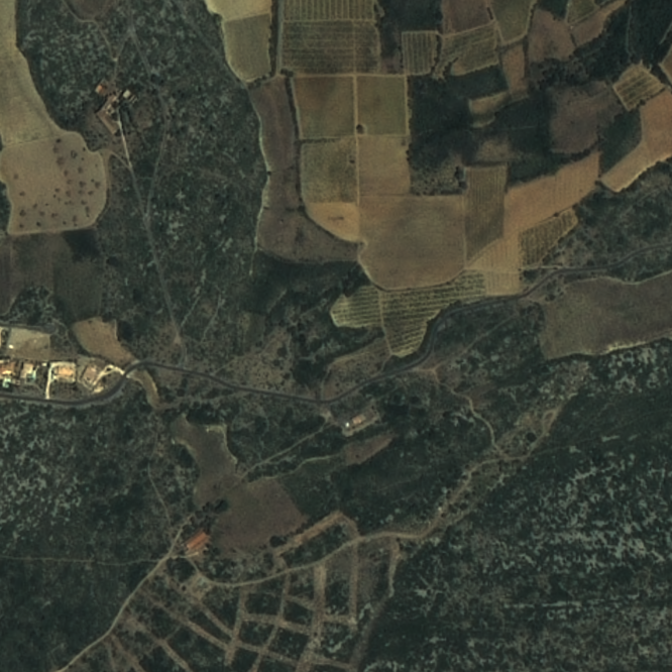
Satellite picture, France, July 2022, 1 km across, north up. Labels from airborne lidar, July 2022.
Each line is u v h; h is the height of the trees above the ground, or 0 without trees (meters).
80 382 0
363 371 0
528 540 0
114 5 0
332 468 0
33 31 0
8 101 0
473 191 0
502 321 0
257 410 0
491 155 0
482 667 0
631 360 0
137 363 0
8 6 0
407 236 0
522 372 0
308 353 0
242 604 0
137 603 0
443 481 6
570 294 0
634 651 0
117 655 0
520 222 0
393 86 0
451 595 0
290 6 0
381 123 0
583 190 0
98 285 0
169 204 7
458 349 0
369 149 0
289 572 0
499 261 0
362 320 0
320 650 0
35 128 0
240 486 0
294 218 0
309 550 0
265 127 0
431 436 9
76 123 6
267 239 0
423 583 0
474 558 0
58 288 0
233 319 0
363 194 0
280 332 0
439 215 0
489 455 0
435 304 0
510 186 0
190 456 6
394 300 0
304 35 0
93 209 0
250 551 0
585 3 0
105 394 0
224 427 0
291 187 0
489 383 0
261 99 0
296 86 0
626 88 0
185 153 0
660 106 0
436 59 6
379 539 0
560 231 0
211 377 0
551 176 0
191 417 9
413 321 0
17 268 0
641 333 0
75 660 0
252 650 0
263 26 0
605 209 0
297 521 0
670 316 0
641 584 0
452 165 0
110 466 0
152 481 0
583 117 0
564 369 0
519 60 0
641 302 0
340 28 0
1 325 0
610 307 0
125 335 6
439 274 0
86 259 0
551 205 0
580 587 0
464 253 0
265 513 0
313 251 0
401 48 6
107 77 7
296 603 0
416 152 6
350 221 0
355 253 0
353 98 0
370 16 0
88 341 0
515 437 0
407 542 0
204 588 0
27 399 0
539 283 0
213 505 9
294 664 0
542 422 0
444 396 0
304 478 0
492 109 0
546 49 0
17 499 0
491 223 0
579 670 0
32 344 0
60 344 0
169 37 0
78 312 0
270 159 0
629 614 0
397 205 0
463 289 0
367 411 0
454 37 0
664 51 6
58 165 0
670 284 0
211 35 0
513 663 0
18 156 0
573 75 7
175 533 0
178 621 0
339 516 0
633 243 0
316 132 0
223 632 0
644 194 0
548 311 0
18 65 0
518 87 0
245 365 0
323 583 0
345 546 0
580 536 0
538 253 0
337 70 0
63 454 0
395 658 0
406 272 0
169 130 6
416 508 8
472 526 0
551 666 0
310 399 0
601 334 0
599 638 0
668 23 5
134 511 0
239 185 0
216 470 0
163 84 7
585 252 0
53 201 0
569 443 0
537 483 0
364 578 0
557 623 0
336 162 0
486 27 0
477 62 0
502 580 0
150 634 0
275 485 0
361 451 0
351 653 0
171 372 0
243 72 0
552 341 0
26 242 0
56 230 0
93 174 0
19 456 0
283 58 0
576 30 0
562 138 0
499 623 0
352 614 0
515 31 0
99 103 6
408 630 0
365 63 0
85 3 0
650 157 0
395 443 6
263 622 0
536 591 0
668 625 0
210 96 0
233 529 0
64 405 0
